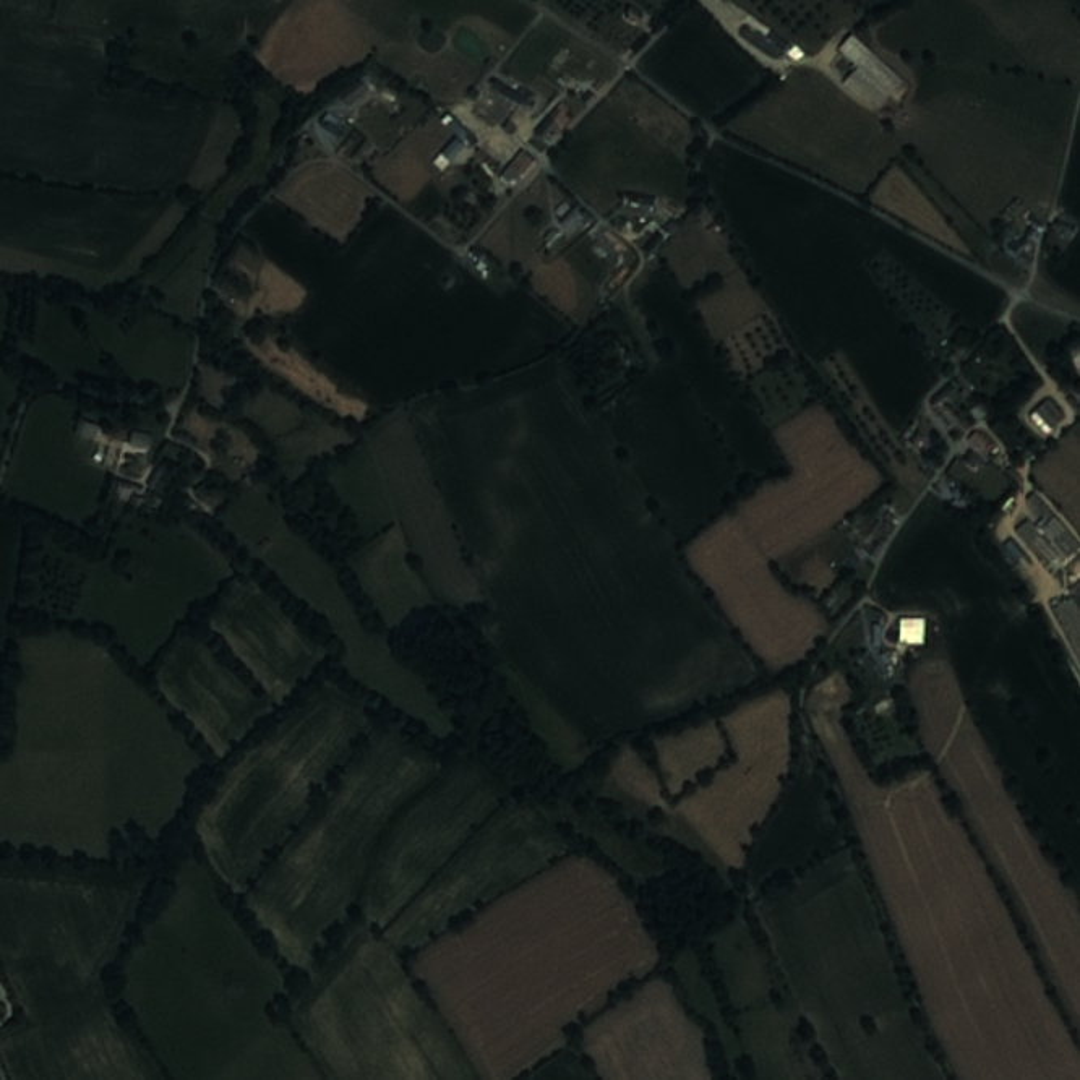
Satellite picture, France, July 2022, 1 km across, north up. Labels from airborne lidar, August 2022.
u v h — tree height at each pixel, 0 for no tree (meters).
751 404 13
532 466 0
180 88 7
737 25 0
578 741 0
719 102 0
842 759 0
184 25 0
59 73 0
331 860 0
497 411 0
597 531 0
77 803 0
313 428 0
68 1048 0
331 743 0
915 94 0
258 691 16
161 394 14
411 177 0
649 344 0
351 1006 0
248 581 17
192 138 0
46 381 24
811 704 0
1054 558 0
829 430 0
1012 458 11
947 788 15
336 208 0
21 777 0
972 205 0
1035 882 0
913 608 0
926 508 0
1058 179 0
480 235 0
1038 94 0
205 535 14
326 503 11
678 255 0
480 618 19
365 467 0
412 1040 0
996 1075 0
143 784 0
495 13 0
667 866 8
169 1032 0
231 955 0
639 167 0
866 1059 0
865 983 0
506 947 0
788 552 0
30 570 16
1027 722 18
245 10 0
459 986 0
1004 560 12
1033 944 7
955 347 8
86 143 0
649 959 0
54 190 8
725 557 0
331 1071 0
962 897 0
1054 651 14
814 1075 0
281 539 0
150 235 0
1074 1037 9
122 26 0
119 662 14
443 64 0
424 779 0
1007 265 0
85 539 17
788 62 0
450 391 17
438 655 36
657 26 14
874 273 5
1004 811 0
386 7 0
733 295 0
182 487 6
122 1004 11
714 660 0
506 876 0
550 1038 0
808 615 0
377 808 0
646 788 0
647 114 0
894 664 0
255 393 27
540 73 0
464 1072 0
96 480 0
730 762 11
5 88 0
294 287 0
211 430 0
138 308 29
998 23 0
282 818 0
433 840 0
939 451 16
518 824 0
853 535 0
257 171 0
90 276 0
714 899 24
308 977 12
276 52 0
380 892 0
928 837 0
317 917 0
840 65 0
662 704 0
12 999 10
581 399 0
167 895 19
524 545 0
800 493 0
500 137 0
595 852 16
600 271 0
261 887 12
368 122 0
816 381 13
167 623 0
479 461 0
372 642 0
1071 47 0
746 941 0
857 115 0
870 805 0
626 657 0
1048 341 0
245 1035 0
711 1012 0
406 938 0
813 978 0
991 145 0
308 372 0
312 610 14
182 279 0
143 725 0
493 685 33
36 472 0
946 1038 0
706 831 0
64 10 0
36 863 21
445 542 0
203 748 13
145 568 0
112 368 17
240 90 16
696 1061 0
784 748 0
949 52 0
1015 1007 0
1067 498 0
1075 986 0
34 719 0
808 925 0
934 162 0
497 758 29
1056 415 0
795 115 0
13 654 16
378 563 0
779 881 15
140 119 0
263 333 14
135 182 0
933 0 0
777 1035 0
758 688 9
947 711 0
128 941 11
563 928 0
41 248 0
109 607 0
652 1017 0
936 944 0
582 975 0
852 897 0
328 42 0
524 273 7
